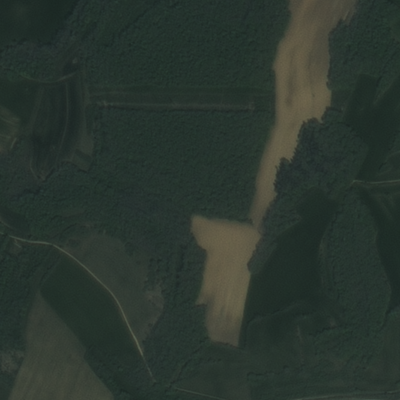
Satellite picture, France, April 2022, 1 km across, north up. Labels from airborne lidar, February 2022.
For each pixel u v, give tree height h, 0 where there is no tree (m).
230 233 0
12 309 17
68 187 11
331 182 22
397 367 0
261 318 16
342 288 15
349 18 0
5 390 0
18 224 0
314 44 0
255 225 0
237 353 0
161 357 10
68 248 0
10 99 0
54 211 13
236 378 0
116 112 21
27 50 19
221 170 20
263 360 0
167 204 25
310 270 0
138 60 17
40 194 18
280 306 0
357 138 22
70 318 0
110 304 0
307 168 22
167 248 19
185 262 28
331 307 0
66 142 0
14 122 0
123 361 0
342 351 14
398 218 0
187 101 0
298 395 9
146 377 13
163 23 17
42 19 0
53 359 0
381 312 20
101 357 0
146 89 0
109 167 21
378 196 0
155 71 15
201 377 0
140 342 0
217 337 0
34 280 0
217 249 0
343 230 13
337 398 6
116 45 17
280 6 27
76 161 0
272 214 22
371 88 0
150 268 14
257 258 22
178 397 5
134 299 0
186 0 16
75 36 18
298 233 0
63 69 0
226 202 18
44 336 0
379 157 0
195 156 19
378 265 19
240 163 14
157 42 18
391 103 0
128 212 26
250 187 22
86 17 21
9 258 20
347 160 25
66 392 0
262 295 0
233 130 22
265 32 25
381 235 0
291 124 0
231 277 0
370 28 21
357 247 21
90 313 0
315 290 0
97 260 0
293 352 0
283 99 0
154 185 23
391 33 11
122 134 20
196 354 14
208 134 18
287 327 0
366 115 0
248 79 15
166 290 6
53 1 0
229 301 0
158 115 13
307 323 0
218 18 23
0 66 7
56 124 0
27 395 0
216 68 17
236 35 10
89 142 0
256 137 21
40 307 0
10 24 0
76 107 0
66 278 0
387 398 14
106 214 15
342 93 0
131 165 21
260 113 16
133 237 14
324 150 28
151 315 0
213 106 0
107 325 0
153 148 13
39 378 0
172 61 14
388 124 0
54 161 0
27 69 16
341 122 15
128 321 0
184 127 13
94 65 15
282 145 0
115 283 0
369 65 26
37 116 0
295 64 0
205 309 13
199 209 18
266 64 24
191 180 19
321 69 0
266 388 7
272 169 0
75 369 0
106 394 0
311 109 0
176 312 16
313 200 0
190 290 22
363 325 16
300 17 0
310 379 7
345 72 23
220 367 0
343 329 12
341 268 21
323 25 0
